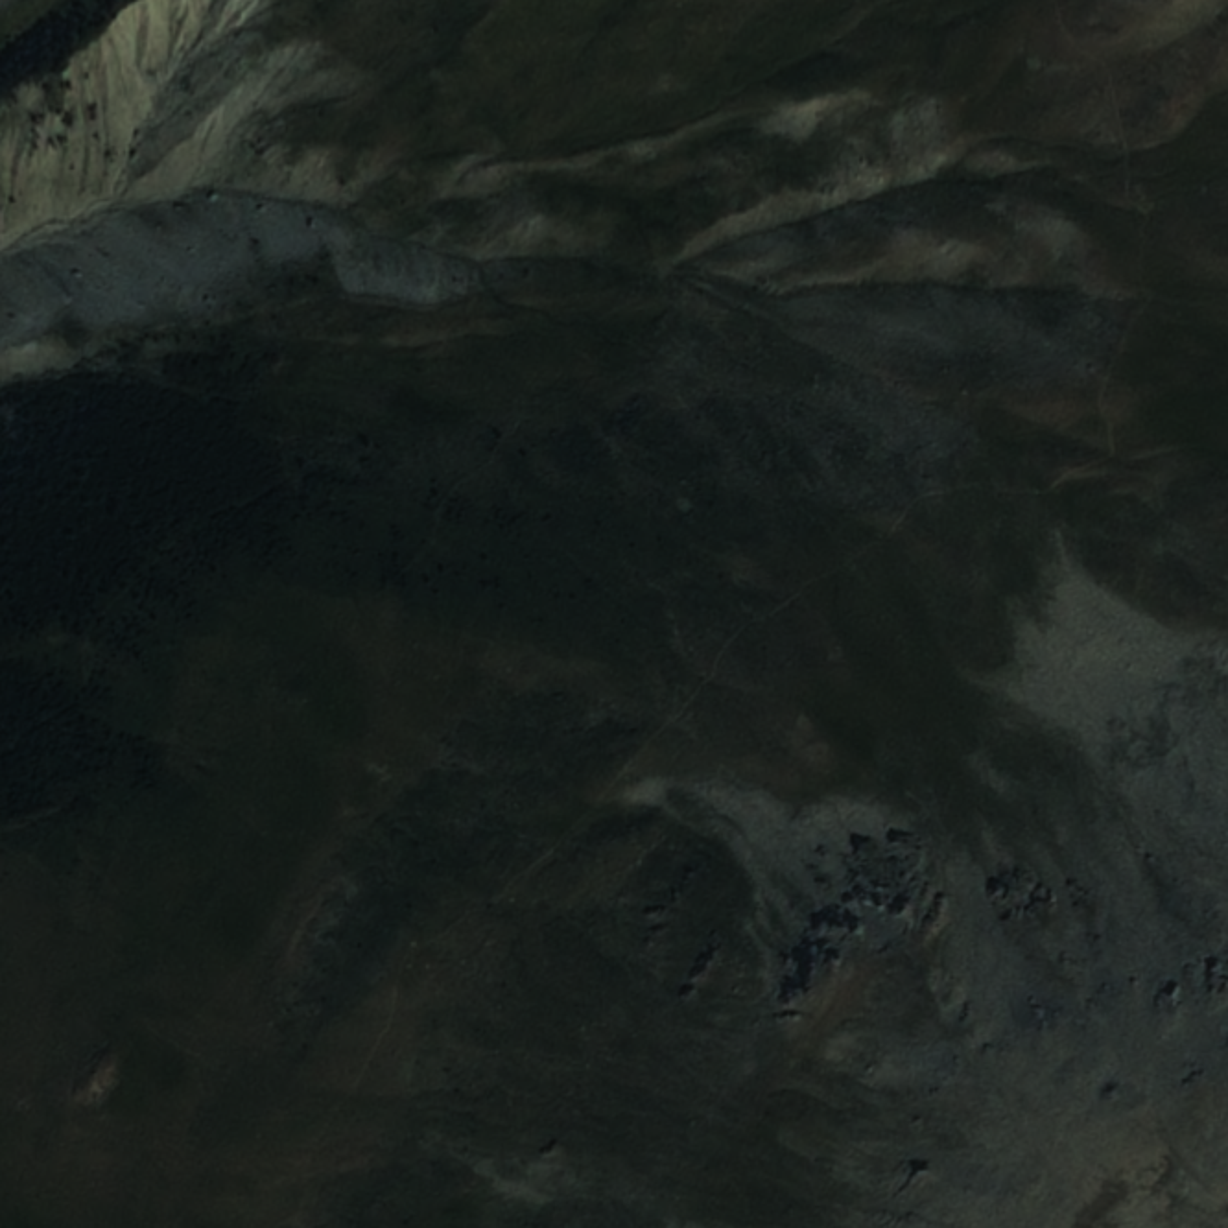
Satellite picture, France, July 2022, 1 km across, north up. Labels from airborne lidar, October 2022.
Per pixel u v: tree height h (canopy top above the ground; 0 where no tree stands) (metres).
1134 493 0
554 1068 0
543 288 0
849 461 0
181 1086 0
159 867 0
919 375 0
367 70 0
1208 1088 0
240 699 0
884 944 0
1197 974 0
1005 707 0
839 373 0
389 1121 0
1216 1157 0
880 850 0
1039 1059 0
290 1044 0
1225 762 0
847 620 0
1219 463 0
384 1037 0
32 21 0
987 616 0
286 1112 0
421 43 0
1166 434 0
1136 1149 0
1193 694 0
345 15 0
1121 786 0
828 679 0
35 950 0
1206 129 0
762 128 0
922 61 0
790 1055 0
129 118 0
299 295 0
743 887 0
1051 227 0
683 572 0
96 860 0
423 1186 0
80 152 0
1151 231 0
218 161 0
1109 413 0
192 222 0
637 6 0
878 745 0
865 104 0
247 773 0
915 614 0
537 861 0
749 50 0
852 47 0
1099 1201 0
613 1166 0
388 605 0
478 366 0
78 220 0
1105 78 0
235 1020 0
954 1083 0
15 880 0
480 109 0
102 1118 0
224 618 0
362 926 0
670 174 0
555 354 0
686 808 0
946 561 0
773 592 0
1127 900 0
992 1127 0
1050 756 0
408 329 0
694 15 0
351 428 0
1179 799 0
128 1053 0
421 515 0
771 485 0
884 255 0
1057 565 0
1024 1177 0
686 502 0
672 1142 0
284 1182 0
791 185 0
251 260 0
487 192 0
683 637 0
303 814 0
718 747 0
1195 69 0
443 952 0
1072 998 0
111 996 0
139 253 0
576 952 0
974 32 0
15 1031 0
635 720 0
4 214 0
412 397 0
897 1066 0
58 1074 0
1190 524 0
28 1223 0
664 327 0
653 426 0
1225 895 0
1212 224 0
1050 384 0
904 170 0
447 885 0
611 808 0
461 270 0
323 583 0
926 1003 0
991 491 0
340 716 0
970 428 0
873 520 0
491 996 0
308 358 0
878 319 0
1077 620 0
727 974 0
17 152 0
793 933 0
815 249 0
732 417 0
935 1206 0
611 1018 0
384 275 0
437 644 0
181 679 0
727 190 0
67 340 0
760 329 0
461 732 0
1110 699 0
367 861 0
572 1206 0
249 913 0
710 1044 0
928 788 0
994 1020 0
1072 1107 0
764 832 0
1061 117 0
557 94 0
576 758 0
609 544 0
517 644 0
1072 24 0
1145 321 0
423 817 0
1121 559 0
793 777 0
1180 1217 0
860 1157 0
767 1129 0
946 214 0
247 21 0
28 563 6
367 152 0
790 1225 0
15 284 0
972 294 0
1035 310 0
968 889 0
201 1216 0
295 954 0
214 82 0
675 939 0
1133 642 0
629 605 0
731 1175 0
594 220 0
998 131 0
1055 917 0
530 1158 0
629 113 0
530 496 0
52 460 6
